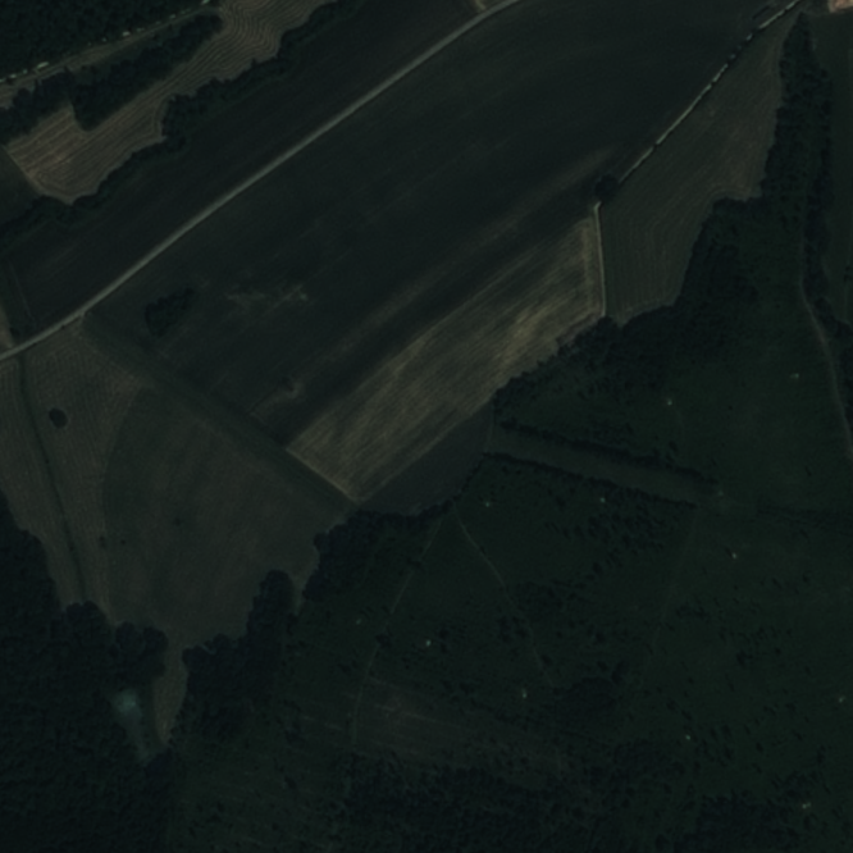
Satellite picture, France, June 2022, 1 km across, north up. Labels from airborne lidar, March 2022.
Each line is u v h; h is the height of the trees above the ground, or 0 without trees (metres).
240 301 0
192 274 0
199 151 0
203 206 0
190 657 17
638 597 0
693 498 0
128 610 0
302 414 0
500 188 0
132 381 0
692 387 0
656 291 0
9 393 0
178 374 0
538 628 0
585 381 0
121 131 0
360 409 0
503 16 0
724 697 0
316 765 0
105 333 0
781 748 0
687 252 0
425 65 0
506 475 0
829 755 0
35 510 0
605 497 0
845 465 0
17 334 13
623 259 0
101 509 0
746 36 0
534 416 0
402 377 0
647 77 0
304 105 0
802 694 0
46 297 0
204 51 0
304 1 0
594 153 0
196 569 0
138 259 0
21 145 0
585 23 0
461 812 0
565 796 0
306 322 0
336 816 0
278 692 0
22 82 0
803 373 0
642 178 0
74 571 0
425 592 0
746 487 0
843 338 25
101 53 0
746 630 0
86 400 0
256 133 0
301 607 0
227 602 0
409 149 0
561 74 0
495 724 0
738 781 0
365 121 0
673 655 0
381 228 0
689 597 0
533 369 0
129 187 0
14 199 0
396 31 0
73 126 0
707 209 0
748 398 0
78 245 0
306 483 0
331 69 0
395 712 0
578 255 0
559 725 0
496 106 0
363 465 0
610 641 0
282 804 0
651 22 0
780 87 0
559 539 0
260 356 0
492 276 0
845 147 0
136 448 0
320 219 0
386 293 0
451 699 0
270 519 0
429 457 0
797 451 0
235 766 0
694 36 0
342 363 0
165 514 0
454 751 0
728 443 0
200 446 0
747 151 0
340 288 0
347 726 0
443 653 0
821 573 0
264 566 0
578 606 0
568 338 0
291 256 0
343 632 0
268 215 0
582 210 0
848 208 0
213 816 0
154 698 0
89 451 0
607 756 0
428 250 0
